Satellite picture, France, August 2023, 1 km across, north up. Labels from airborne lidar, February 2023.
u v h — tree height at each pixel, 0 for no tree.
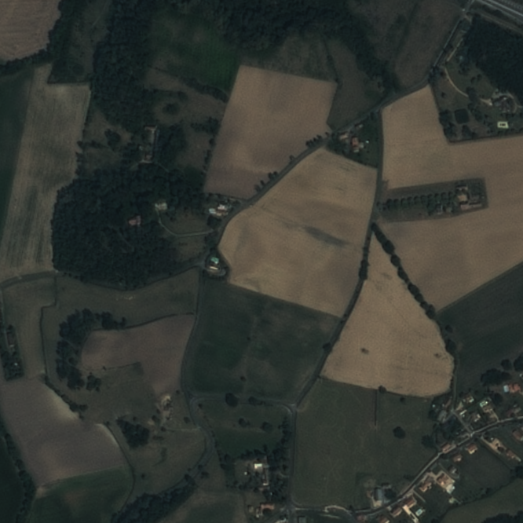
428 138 0
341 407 0
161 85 0
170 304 0
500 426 0
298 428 0
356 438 0
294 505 0
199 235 0
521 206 0
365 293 0
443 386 0
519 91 24
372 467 0
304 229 0
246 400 0
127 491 0
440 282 0
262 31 10
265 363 0
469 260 0
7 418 0
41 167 0
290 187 0
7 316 0
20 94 0
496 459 0
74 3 11
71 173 0
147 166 9
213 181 0
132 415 0
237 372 0
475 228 0
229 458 13
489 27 23
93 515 0
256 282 0
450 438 7
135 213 0
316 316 0
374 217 0
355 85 0
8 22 0
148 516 12
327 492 0
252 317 0
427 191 0
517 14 0
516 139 0
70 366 17
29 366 0
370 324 0
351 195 0
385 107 0
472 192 0
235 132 0
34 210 0
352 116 0
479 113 9
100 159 0
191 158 0
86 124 7
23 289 0
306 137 0
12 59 0
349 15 7
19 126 0
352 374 0
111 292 0
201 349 0
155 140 0
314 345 0
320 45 0
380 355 0
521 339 0
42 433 0
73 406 13
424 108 0
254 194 0
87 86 0
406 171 0
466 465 0
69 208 21
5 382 0
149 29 13
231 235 0
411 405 0
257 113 0
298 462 0
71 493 0
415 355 0
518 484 0
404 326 0
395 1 0
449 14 0
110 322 20
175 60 0
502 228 0
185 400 0
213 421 0
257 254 0
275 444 0
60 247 13
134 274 20
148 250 22
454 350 14
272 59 0
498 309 0
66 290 0
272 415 0
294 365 0
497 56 25
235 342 0
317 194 0
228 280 0
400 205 8
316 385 0
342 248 0
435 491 0
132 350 0
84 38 0
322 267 0
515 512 0
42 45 0
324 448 0
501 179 0
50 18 0
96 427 0
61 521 0
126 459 0
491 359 0
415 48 0
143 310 0
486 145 0
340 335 0
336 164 0
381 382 0
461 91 0
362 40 10
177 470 0
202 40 0
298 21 17
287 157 0
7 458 0
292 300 0
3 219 0
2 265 0
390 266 0
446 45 0
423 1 0
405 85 0
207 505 0
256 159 0
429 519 0
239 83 0
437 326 0
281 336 0
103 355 0
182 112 0
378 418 0
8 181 0
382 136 0
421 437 0
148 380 0
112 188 24
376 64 9
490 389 6
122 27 25
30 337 0
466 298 0
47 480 0
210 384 0
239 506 0
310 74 0
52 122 0
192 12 13
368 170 0
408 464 0
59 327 0
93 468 0
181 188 25
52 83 0
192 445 0
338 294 0
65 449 0
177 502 11
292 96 0
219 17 14
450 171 0
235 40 17
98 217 23
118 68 18
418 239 0
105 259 13
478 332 0
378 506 0
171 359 0
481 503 0
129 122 10
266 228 0
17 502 0
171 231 0
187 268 0
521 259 0
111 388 0
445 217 0
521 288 0
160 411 7
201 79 0
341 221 0
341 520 0
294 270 0
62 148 0
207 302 0
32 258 0
